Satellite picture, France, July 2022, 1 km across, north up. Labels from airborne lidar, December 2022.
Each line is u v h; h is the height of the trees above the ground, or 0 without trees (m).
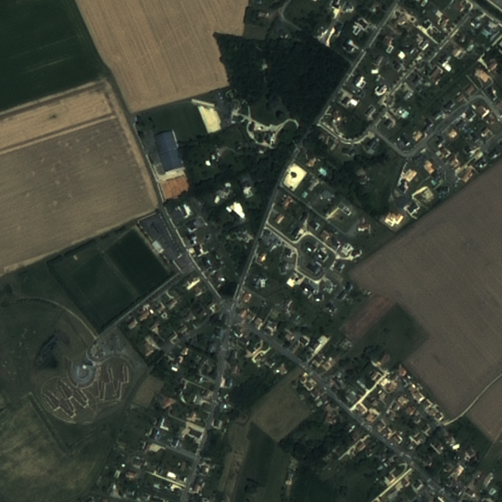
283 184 0
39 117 0
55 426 0
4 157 0
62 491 0
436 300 0
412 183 0
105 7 0
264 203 9
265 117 0
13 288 0
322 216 0
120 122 0
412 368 0
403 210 0
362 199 13
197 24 0
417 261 0
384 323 0
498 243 0
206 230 0
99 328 12
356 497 0
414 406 0
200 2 0
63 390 0
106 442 0
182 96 0
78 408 0
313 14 8
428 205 0
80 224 0
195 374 8
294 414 0
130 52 0
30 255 0
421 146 0
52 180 0
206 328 0
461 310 0
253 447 0
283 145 14
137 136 0
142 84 0
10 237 0
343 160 0
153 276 0
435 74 0
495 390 0
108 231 0
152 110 0
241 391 6
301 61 25
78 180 0
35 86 0
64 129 0
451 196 0
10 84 0
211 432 12
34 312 0
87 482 0
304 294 0
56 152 0
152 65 0
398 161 0
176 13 0
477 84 0
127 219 0
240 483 0
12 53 0
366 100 0
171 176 0
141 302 10
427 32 0
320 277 0
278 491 0
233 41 12
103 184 0
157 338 14
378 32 0
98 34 0
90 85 0
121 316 10
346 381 6
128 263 0
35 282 0
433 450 12
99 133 0
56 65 0
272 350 0
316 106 20
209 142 10
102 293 0
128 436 0
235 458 0
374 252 0
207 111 0
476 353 0
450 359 0
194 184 12
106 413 0
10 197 0
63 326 0
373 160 11
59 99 0
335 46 14
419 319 0
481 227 0
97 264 0
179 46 0
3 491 0
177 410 11
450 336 0
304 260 0
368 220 0
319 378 0
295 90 23
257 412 0
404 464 0
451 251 0
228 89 7
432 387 0
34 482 0
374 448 10
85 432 0
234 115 0
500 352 0
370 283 0
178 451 0
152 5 0
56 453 0
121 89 0
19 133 0
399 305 0
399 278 0
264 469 0
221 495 0
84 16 0
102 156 0
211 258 0
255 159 13
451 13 0
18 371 0
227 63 8
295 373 0
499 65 5
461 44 9
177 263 0
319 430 0
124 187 0
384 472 9
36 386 0
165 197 0
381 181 0
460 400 0
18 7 0
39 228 0
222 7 0
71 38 0
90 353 0
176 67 0
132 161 0
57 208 0
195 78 0
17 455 0
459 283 0
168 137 0
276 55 15
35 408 0
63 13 0
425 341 0
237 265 8
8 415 0
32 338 0
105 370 0
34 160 0
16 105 0
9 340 0
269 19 0
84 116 0
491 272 0
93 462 0
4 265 0
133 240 0
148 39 0
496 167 0
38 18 0
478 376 0
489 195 0
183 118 0
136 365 0
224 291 14
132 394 0
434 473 6
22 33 0
